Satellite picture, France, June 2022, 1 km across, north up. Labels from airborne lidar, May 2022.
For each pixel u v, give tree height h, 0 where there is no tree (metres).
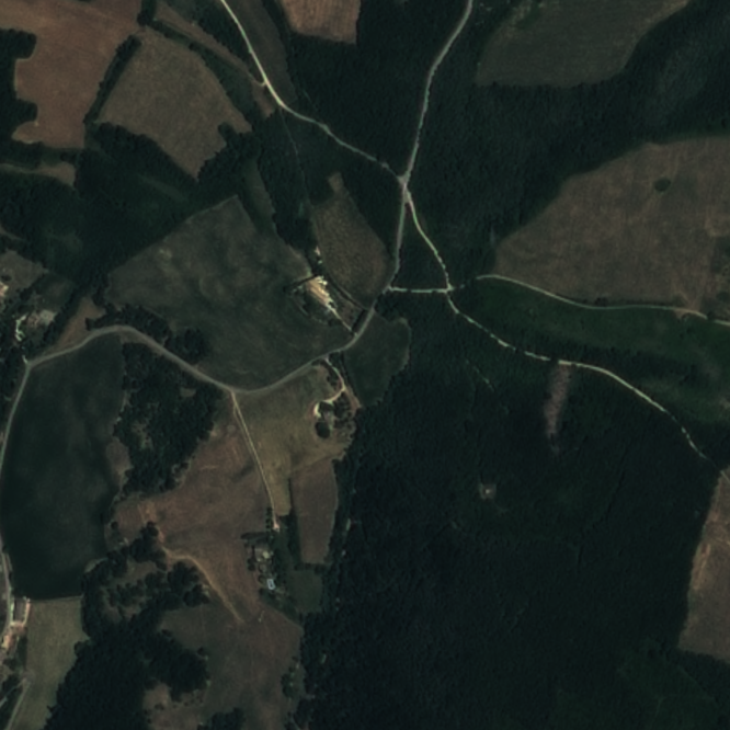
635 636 15
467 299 13
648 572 14
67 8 0
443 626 10
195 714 0
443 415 11
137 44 12
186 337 8
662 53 8
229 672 0
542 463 13
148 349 11
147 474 15
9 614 0
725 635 0
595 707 5
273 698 0
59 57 0
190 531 0
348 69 12
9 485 0
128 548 8
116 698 13
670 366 9
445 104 8
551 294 0
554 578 14
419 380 11
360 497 10
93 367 0
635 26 0
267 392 0
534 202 12
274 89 0
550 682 12
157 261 0
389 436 9
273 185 15
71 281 6
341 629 12
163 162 13
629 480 15
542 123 7
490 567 11
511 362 9
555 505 6
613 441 12
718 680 15
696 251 0
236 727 15
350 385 7
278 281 0
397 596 11
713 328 0
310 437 0
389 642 10
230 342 0
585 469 7
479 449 6
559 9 0
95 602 10
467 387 8
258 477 0
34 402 0
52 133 0
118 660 14
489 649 10
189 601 13
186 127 0
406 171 7
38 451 0
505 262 0
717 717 6
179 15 0
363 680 13
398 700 10
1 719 9
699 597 0
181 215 8
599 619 14
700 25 6
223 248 0
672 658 15
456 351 11
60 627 0
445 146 10
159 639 18
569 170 10
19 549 0
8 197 12
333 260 0
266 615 0
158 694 0
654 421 9
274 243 0
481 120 8
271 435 0
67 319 14
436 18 11
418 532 12
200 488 0
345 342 0
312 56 7
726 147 0
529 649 12
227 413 0
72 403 0
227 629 0
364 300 0
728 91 12
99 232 13
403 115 11
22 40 18
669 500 14
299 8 0
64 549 0
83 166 10
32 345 18
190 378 9
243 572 0
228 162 7
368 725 11
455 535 12
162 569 10
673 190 0
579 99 11
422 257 7
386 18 14
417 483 10
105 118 0
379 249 0
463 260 7
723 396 0
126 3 0
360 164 12
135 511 0
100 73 0
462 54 8
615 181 0
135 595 10
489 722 13
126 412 11
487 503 7
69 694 14
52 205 9
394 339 0
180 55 0
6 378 22
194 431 13
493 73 0
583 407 14
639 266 0
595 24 0
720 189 0
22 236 12
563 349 6
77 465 0
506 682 13
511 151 7
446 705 11
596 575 14
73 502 0
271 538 8
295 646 0
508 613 11
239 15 0
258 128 12
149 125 0
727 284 0
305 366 0
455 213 9
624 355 7
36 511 0
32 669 0
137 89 0
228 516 0
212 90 0
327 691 14
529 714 12
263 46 0
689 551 14
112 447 0
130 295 0
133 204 9
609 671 10
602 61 0
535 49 0
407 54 10
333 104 12
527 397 9
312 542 0
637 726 7
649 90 7
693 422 9
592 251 0
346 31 0
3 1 0
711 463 11
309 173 6
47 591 0
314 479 0
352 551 13
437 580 9
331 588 11
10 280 9
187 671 15
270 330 0
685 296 0
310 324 0
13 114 17
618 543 13
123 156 13
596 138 18
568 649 12
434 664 10
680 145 0
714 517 0
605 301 12
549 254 0
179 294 0
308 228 9
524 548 11
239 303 0
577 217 0
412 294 7
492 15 10
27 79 0
